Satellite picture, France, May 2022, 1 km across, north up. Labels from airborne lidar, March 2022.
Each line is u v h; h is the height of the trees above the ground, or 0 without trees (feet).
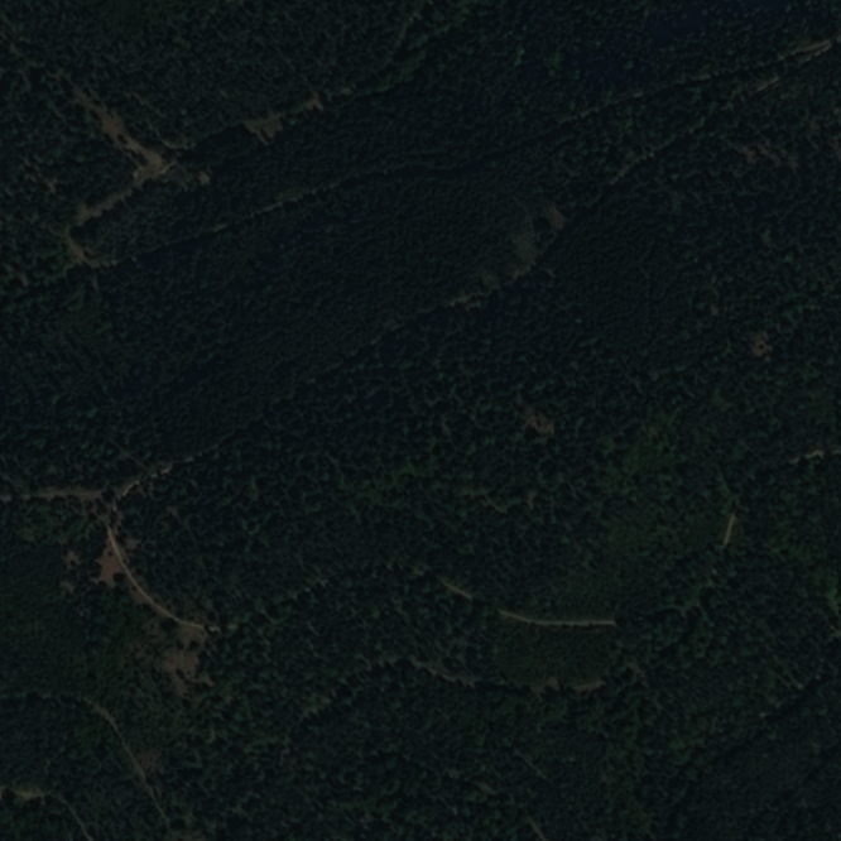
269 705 102
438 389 90
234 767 95
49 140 111
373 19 107
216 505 58
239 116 39
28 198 82
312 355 66
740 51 76
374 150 83
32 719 70
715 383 56
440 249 66
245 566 74
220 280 86
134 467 19
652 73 106
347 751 85
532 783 33
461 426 86
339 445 100
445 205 64
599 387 85
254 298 68
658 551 65
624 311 47
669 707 124
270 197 73
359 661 94
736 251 92
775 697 92
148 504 20
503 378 69
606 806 51
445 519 28
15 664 68
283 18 118
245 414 76
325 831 83
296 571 89
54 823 76
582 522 90
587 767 33
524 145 69
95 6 24
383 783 85
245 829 98
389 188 68
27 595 29
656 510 35
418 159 77
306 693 91
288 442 68
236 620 26
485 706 52
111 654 36
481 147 65
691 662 78
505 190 64
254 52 95
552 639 24
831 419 22
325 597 84
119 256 82
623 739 65
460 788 93
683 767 93
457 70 80
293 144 83
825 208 84
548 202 48
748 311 36
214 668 73
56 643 38
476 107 75
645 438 63
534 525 23
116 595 59
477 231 61
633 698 35
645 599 34
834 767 95
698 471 89
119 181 65
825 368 75
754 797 96
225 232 18
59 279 34
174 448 72
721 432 83
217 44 94
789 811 92
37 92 58
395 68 63
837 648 101
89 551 35
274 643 99
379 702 98
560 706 80
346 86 29
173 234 73
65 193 115
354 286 65
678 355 24
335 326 83
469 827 60
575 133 79
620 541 20
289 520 56
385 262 67
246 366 71
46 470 34
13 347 94
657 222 76
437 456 51
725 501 63
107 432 70
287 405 77
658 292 56
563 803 43
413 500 76
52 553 33
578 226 79
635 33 60
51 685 33
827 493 63
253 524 55
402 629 98
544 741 39
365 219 63
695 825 77
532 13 82
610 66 74
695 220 90
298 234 34
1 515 44
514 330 84
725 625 86
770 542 78
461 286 73
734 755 82
